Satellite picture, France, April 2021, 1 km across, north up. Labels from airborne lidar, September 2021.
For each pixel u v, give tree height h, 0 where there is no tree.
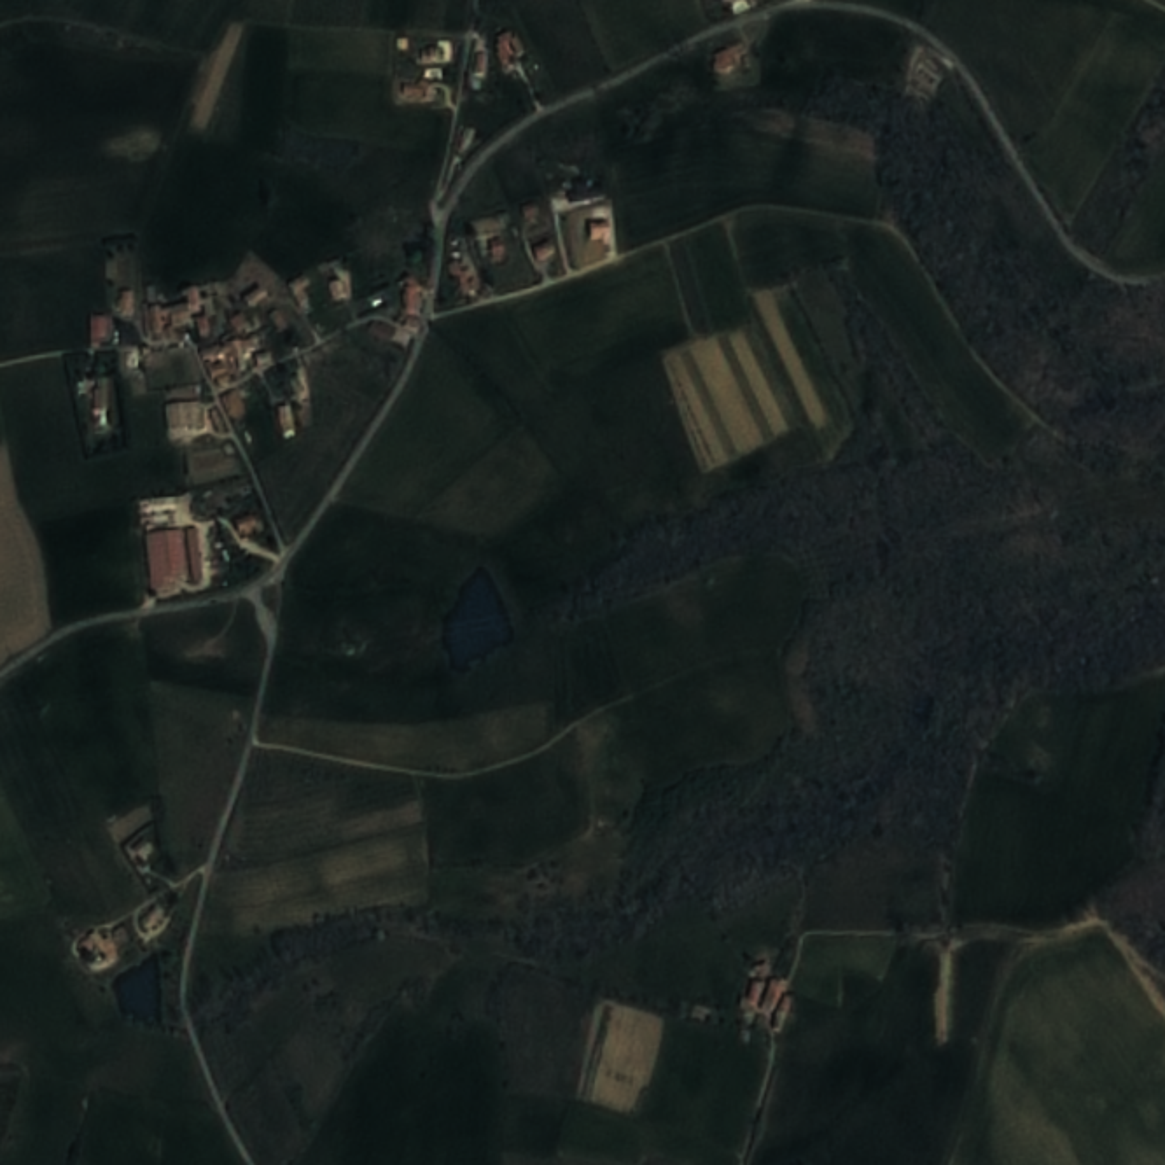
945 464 14
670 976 0
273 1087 0
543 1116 0
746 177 0
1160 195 0
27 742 0
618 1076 0
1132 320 6
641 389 0
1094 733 0
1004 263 23
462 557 0
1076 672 16
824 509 19
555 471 0
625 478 0
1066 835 0
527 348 0
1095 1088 0
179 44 0
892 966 0
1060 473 0
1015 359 15
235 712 0
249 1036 0
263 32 0
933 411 11
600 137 0
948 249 23
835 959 0
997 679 21
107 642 0
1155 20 0
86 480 0
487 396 0
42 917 0
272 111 0
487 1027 0
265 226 0
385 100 0
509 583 0
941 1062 0
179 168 0
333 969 0
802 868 10
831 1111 0
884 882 0
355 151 7
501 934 17
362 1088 0
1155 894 15
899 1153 0
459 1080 0
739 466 0
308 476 0
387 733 0
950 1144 0
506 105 0
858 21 0
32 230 0
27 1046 0
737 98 0
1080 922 13
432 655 0
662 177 0
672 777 0
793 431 0
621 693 0
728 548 10
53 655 0
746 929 0
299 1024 0
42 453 0
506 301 0
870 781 11
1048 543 13
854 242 0
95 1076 0
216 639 0
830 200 0
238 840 0
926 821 20
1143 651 18
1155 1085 0
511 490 0
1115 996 0
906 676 20
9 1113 0
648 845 7
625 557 16
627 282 0
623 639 0
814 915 0
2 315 0
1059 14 0
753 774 6
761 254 0
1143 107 7
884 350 10
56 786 0
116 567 0
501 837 0
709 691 0
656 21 0
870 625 12
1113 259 0
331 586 0
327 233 0
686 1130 0
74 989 0
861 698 11
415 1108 0
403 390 0
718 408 0
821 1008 0
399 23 0
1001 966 0
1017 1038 0
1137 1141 0
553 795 0
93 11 0
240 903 0
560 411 0
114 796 0
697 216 0
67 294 0
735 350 0
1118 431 17
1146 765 0
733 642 0
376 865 0
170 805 0
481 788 0
